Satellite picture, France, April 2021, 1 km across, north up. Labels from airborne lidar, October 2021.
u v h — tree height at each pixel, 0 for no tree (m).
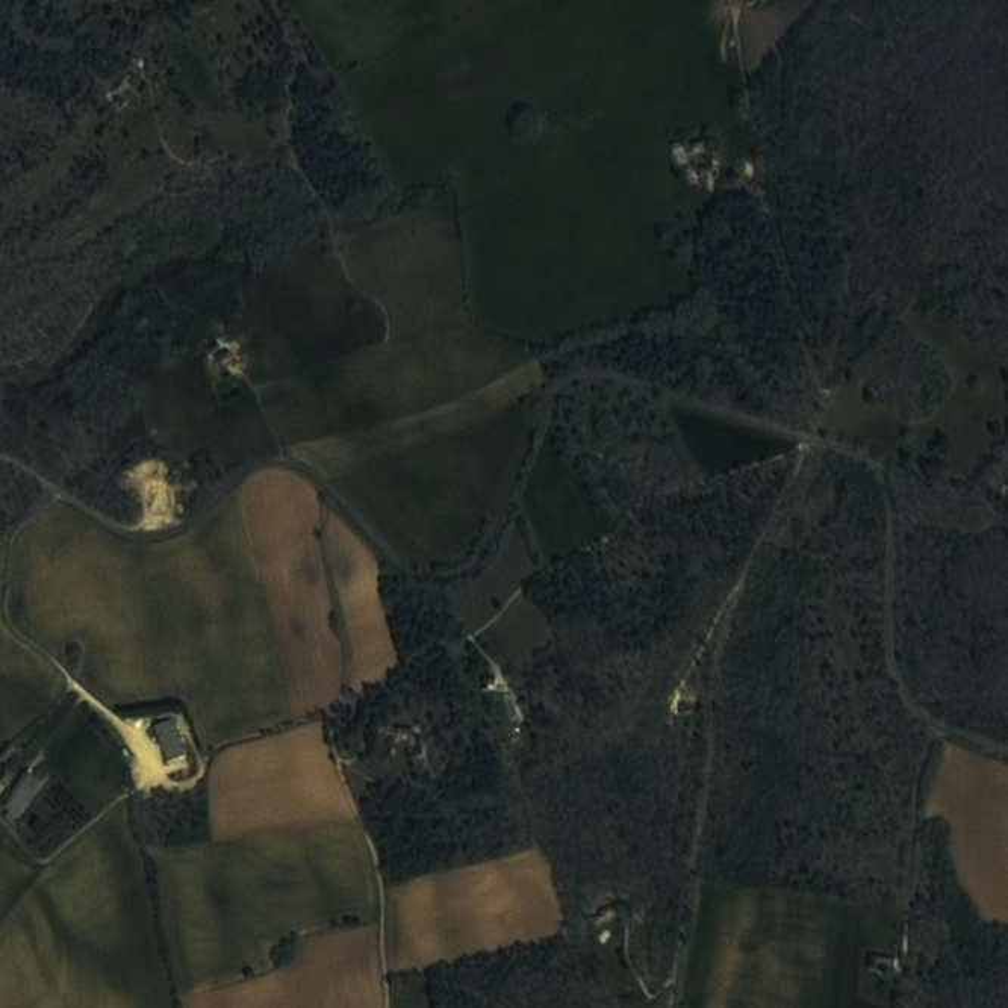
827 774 10
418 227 0
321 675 0
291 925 0
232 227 23
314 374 0
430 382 0
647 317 12
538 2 0
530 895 0
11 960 0
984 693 18
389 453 0
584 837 18
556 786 18
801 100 15
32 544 0
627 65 0
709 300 18
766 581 9
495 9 0
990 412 0
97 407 16
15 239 12
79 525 0
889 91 7
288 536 0
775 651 8
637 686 11
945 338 0
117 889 0
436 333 0
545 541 0
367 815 14
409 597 15
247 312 0
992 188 11
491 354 0
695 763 17
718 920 0
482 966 15
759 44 0
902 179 8
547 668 12
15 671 0
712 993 0
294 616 0
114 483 17
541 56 0
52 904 0
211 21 0
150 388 0
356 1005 0
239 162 13
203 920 0
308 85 16
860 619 9
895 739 10
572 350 12
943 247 10
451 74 0
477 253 0
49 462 0
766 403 13
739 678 10
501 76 0
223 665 0
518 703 7
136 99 7
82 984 0
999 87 12
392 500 0
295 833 0
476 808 12
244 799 0
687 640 12
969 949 18
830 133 12
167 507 0
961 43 19
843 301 10
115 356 13
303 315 0
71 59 8
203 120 0
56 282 18
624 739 16
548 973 25
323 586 0
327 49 0
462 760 6
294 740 0
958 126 12
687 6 0
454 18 0
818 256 14
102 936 0
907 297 9
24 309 17
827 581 7
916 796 10
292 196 19
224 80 16
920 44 15
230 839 0
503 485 0
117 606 0
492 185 0
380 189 15
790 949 0
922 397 22
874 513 11
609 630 13
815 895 7
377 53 0
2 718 0
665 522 18
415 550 0
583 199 0
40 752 0
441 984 24
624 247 0
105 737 12
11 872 0
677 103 0
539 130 15
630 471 15
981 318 14
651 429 12
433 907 0
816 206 11
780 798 6
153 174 0
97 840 0
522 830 10
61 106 8
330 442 0
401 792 16
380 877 11
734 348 16
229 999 0
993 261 10
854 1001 0
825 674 10
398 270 0
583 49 0
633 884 18
